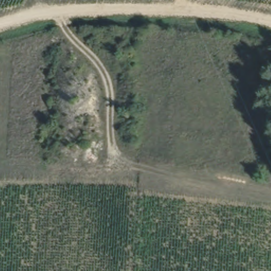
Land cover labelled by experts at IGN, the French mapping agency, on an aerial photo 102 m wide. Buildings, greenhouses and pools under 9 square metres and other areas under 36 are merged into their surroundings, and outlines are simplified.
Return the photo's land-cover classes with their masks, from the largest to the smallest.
<instances>
[{"label":"herbaceous vegetation","instance_id":"1","mask_svg":"<svg viewBox=\"0 0 271 271\"><path fill-rule=\"evenodd\" d=\"M60 31L56 36L49 31L41 37L23 40L22 47L12 48L4 41L0 42V186L55 183L135 186V173L140 171V192H129L128 195L131 197L146 195L271 210V106L253 105L256 102V92L263 89L261 64L268 60V52L271 51V40L263 38L256 46H248L246 42L231 41L224 36L216 40L203 31L176 32L173 29L149 35L141 49L142 67L129 69V75L134 83L132 94L144 98L147 112L143 123V143L139 148H135L119 139L115 140L114 107L109 106V102L100 100L106 95L114 100L110 74L103 61L73 33L68 24L59 26ZM57 41L62 53L67 49L71 52L70 71L66 72V76H71L73 82L66 92L77 95L72 106L77 114H89V129L95 131L85 135V139L90 143L87 149L80 148L77 144L73 148L64 147L61 149L64 153L61 158L52 153L47 161H43L39 156L41 147L35 144L36 125L37 122L42 125L49 124L56 110L52 107L47 110L42 101V94L48 93L50 87L43 82V69L50 62L43 61L42 51Z\"/></svg>","mask_w":271,"mask_h":271},{"label":"vineyard","instance_id":"2","mask_svg":"<svg viewBox=\"0 0 271 271\"><path fill-rule=\"evenodd\" d=\"M175 0H0V17L26 10L36 3L148 4L169 3ZM203 5L229 6L271 15V0H189ZM140 171L135 173V186L55 183L0 186V271H271V210L146 195L131 197L128 195L129 192H140Z\"/></svg>","mask_w":271,"mask_h":271},{"label":"brushwood","instance_id":"3","mask_svg":"<svg viewBox=\"0 0 271 271\"><path fill-rule=\"evenodd\" d=\"M73 33L103 61L110 74L114 100L106 95L100 100L109 102V106L114 107L115 140L119 139L135 148H139L143 143V123L147 112L144 98L132 94L134 83L129 75V69L142 67L141 49L149 35L173 29L176 32L203 31L216 40L224 36L231 41L246 42L248 46H256L263 38L271 40V29L247 21L143 15L75 17L68 24ZM49 31L56 36L60 31L59 26L54 20H39L0 32V42L4 41L12 48L22 47L23 40L41 37ZM43 61L50 62L43 69V82L50 87L48 93L42 94V101L47 110L52 107L56 110L49 124L42 125L37 122L36 125L35 144L41 147L39 156L43 161H47L52 153L61 158L64 153L61 149L64 147L73 148L77 144L80 148L87 149L90 143L85 139V135L95 131L89 129V114H77L72 106L77 95L66 92L73 82L71 76H66V72L70 71L71 52L67 49L62 53L57 41L42 51Z\"/></svg>","mask_w":271,"mask_h":271},{"label":"pervious surface","instance_id":"4","mask_svg":"<svg viewBox=\"0 0 271 271\"><path fill-rule=\"evenodd\" d=\"M143 15L247 21L271 29V15L229 6L203 5L189 0H175L169 3L148 4L36 3L26 10L0 17V32L39 20H54L59 26L68 24L75 17Z\"/></svg>","mask_w":271,"mask_h":271},{"label":"coniferous trees","instance_id":"5","mask_svg":"<svg viewBox=\"0 0 271 271\"><path fill-rule=\"evenodd\" d=\"M263 89L256 92V102L253 105L271 106V51L268 52V60L261 64Z\"/></svg>","mask_w":271,"mask_h":271}]
</instances>
